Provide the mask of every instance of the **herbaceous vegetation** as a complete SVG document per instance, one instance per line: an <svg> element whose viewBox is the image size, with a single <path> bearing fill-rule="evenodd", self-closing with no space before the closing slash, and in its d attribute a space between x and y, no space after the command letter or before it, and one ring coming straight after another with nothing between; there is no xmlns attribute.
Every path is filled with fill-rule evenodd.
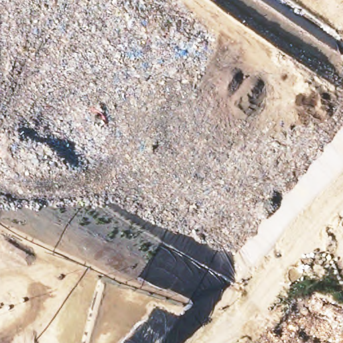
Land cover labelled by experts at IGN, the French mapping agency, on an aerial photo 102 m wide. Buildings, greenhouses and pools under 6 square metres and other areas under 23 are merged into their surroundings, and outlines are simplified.
<svg viewBox="0 0 343 343"><path fill-rule="evenodd" d="M311 279L303 276L303 281L293 281L283 303L291 304L292 299L307 299L311 296L304 291L304 287L311 288Z"/></svg>

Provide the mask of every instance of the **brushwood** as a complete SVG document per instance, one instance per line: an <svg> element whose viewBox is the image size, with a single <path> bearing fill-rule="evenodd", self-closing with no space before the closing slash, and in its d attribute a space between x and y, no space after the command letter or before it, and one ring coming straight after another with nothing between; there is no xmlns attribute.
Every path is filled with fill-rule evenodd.
<svg viewBox="0 0 343 343"><path fill-rule="evenodd" d="M335 279L335 275L323 276L322 280L311 279L311 288L304 287L304 291L311 296L316 292L328 293L343 303L343 288Z"/></svg>

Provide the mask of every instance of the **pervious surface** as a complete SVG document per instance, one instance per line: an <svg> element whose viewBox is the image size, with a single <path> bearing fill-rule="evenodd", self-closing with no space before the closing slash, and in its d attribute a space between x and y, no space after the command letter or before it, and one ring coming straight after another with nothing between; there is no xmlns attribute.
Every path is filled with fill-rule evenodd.
<svg viewBox="0 0 343 343"><path fill-rule="evenodd" d="M343 288L343 86L335 87L326 79L320 78L315 71L273 46L212 0L0 0L0 343L343 343L343 303L328 293L316 292L311 296L307 299L292 299L291 304L283 303L293 281L303 281L303 276L311 279L322 280L323 276L335 275L335 279Z"/></svg>
<svg viewBox="0 0 343 343"><path fill-rule="evenodd" d="M338 39L332 48L343 55L343 0L280 0Z"/></svg>

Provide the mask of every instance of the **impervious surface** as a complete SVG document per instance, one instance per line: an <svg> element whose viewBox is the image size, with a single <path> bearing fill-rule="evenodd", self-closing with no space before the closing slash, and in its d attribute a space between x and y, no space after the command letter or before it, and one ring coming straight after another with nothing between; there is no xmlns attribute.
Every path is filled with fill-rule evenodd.
<svg viewBox="0 0 343 343"><path fill-rule="evenodd" d="M320 78L326 79L335 87L343 86L343 55L332 48L338 39L280 0L212 0L273 46L315 71Z"/></svg>

